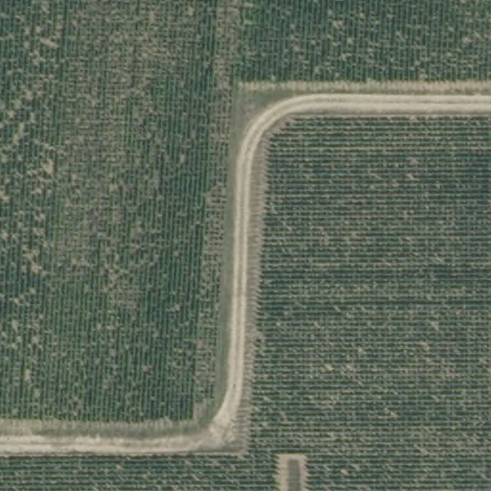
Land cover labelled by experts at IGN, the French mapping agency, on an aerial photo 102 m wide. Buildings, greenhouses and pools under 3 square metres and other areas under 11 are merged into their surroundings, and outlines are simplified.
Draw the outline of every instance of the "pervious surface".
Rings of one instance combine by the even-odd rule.
[[[201,433],[153,439],[82,435],[0,435],[0,456],[25,453],[67,455],[73,451],[98,455],[167,455],[190,453],[201,447],[221,447],[228,441],[234,441],[234,418],[242,399],[244,384],[249,186],[253,155],[263,132],[269,129],[276,119],[282,119],[288,113],[307,109],[491,111],[491,94],[307,94],[269,105],[245,130],[240,153],[236,159],[228,382],[221,409],[211,420],[211,426]]]

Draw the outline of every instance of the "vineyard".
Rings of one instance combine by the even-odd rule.
[[[263,132],[253,155],[249,186],[244,384],[242,399],[234,418],[234,441],[228,441],[221,447],[201,447],[190,453],[167,455],[98,455],[73,451],[67,455],[25,453],[0,456],[0,491],[491,491],[491,111],[307,109],[288,113],[282,119],[276,119],[269,129]]]
[[[491,0],[0,0],[0,435],[82,435],[153,439],[201,433],[211,426],[211,420],[221,409],[228,382],[236,159],[240,153],[245,130],[269,105],[307,94],[491,94]]]

